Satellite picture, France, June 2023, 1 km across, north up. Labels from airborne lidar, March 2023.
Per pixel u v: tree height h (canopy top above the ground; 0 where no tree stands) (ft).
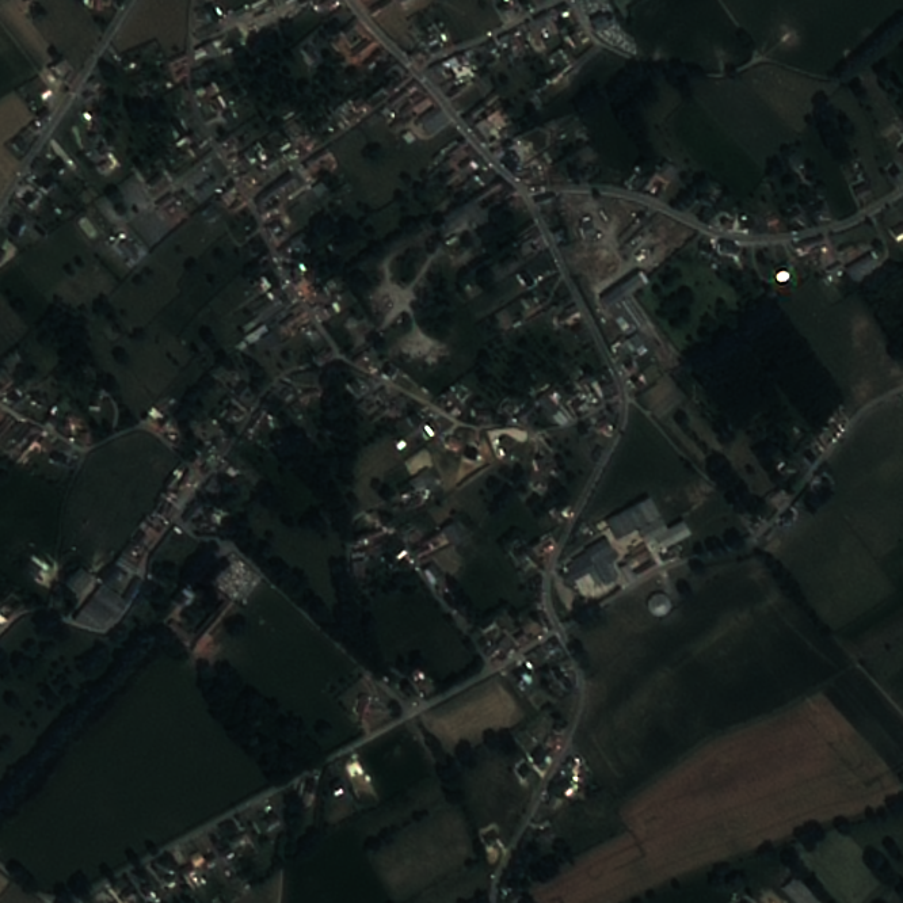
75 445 0
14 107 0
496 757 0
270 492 75
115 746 0
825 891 72
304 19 0
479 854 37
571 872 0
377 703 0
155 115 59
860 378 0
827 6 0
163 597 58
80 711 79
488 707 0
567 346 0
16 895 0
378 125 0
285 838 34
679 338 0
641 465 0
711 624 0
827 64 0
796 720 0
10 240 0
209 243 0
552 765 0
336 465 50
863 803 0
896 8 0
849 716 0
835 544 0
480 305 0
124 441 0
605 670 0
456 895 0
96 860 0
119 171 0
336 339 28
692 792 0
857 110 0
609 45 0
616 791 0
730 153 0
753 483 0
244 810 0
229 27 0
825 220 0
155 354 0
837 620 0
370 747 0
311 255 25
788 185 43
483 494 19
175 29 0
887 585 0
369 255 30
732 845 0
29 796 70
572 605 0
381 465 0
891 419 0
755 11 0
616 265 0
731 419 91
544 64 19
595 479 0
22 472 0
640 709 0
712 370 110
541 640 0
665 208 0
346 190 0
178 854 0
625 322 0
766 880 0
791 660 0
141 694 0
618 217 0
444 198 0
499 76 27
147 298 0
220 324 0
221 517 0
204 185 0
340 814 0
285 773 78
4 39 0
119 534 0
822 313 0
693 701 0
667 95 0
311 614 58
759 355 102
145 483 0
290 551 0
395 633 0
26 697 0
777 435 47
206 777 0
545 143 0
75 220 0
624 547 0
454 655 0
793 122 0
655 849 0
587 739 0
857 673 0
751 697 0
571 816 0
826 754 0
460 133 0
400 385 0
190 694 0
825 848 0
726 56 0
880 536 0
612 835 0
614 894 0
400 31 0
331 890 0
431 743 37
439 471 0
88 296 0
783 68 0
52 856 0
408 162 0
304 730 46
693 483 0
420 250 0
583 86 0
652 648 0
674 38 0
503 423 27
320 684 0
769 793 0
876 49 50
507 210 32
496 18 0
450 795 51
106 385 39
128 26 0
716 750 0
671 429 0
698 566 51
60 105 0
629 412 0
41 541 0
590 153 0
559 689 0
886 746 0
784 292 35
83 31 0
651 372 0
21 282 0
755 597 0
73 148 0
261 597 0
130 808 0
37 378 0
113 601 0
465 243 31
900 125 0
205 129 0
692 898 0
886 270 19
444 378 0
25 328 0
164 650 72
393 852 0
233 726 66
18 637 0
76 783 0
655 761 0
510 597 0
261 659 0
